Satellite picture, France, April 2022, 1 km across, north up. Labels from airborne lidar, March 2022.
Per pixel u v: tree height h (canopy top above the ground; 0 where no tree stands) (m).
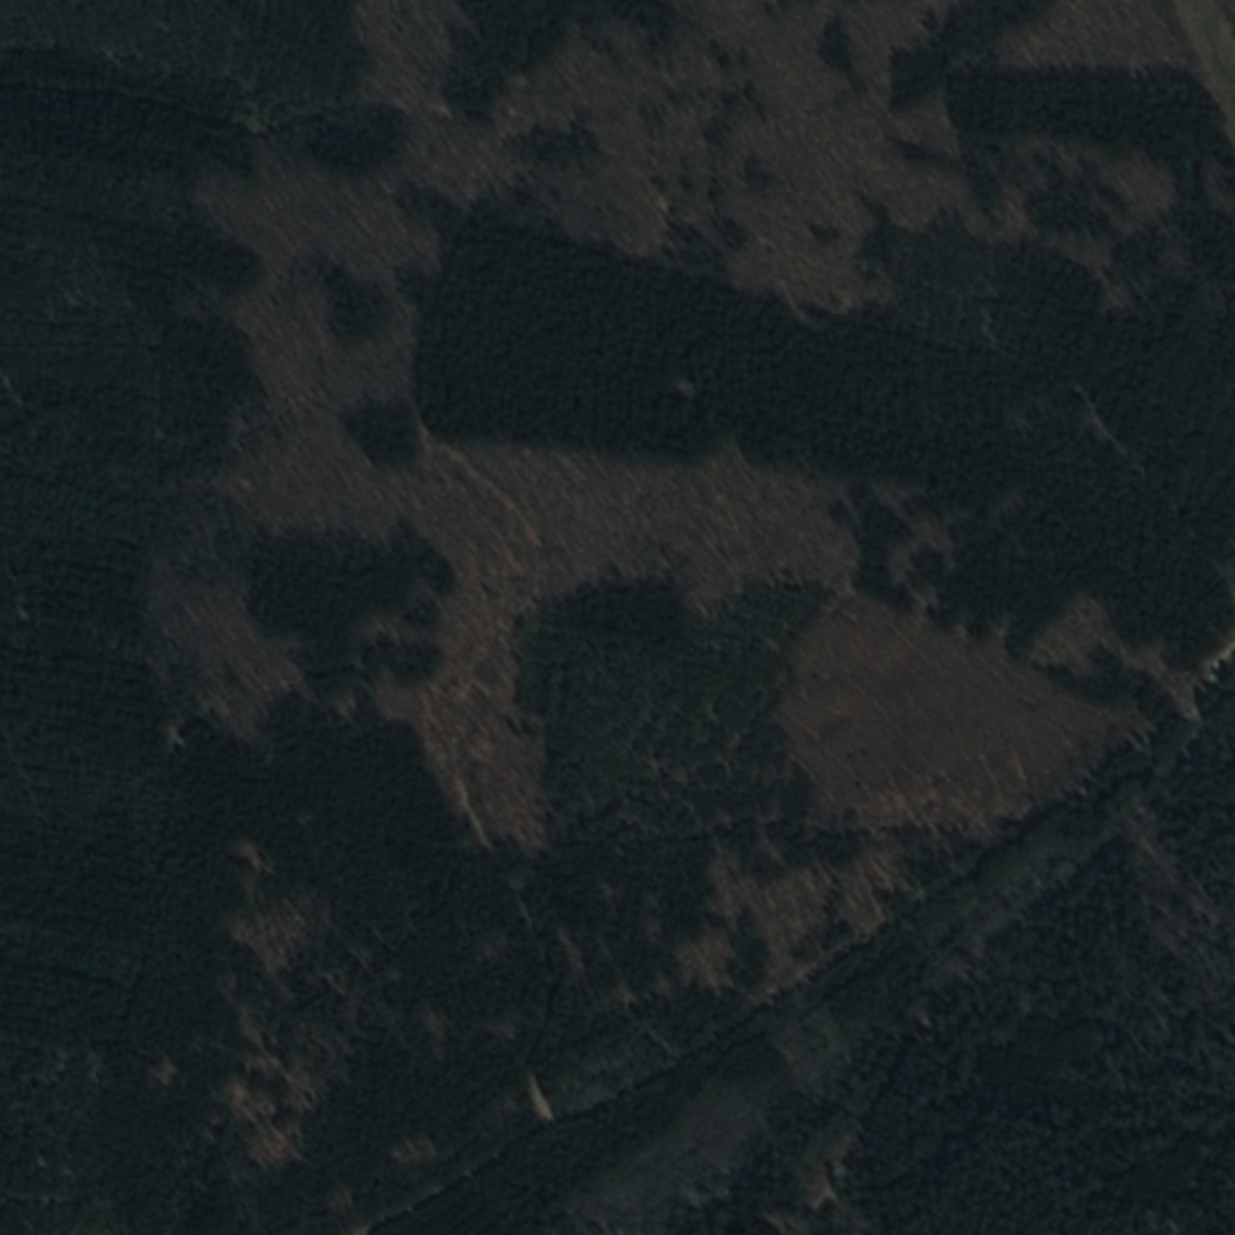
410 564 28
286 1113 22
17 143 21
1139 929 25
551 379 29
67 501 27
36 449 17
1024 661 26
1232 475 20
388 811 28
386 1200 20
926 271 15
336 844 27
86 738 16
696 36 15
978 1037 34
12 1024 23
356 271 20
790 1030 21
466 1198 16
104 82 20
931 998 16
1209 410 21
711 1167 12
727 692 16
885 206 17
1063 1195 27
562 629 14
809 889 0
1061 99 33
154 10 22
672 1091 25
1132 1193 10
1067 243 17
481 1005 30
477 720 26
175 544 21
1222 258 31
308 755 30
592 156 15
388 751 29
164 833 18
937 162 20
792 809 7
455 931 27
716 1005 24
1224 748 25
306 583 31
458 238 25
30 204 7
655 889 19
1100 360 12
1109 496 28
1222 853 25
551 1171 25
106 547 17
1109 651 19
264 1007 21
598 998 21
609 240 19
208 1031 28
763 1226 16
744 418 37
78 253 20
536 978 29
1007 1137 8
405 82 0
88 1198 14
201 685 19
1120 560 29
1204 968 23
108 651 12
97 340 17
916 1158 30
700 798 14
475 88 22
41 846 22
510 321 31
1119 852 14
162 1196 25
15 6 18
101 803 19
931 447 28
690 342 36
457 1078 25
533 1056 29
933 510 20
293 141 26
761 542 20
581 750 22
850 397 28
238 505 16
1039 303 16
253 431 17
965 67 19
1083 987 23
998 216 26
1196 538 19
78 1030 22
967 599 23
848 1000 29
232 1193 20
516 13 33
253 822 29
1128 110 35
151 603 22
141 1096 25
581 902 23
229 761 29
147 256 22
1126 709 11
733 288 23
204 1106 26
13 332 17
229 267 34
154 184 14
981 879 12
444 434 29
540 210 21
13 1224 21
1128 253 18
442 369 30
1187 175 24
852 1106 22
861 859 19
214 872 28
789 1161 20
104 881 22
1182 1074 9
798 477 23
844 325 18
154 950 21
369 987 25
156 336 20
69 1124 14
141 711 23
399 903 27
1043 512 28
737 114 20
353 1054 19
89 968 15
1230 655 0
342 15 20
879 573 23
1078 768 14
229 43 20
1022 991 24
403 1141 26
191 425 13
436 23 0
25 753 14
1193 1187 11
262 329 21
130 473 15
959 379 24
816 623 15
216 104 19
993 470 31
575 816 26
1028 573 27
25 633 14
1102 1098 11
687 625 26
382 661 30
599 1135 24
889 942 17
